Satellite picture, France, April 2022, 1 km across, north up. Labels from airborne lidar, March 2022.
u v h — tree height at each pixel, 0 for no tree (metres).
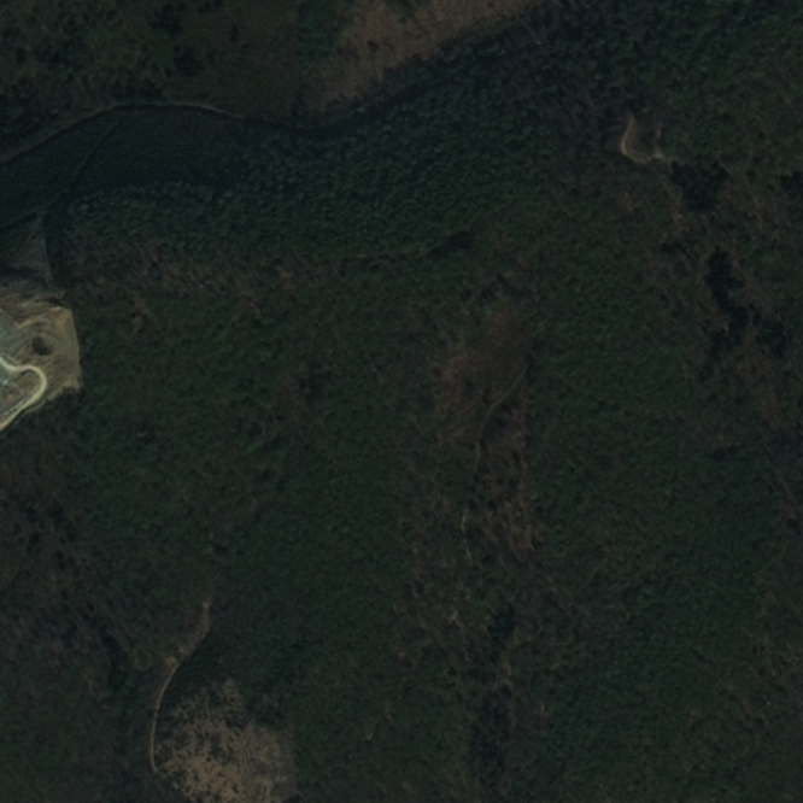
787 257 29
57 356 0
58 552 8
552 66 23
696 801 22
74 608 7
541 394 30
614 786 19
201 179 9
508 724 23
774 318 11
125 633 26
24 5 30
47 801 20
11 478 13
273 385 22
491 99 31
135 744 21
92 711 25
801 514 25
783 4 19
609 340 11
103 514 22
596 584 19
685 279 25
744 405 30
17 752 21
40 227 0
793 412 15
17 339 0
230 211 27
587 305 17
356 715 15
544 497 30
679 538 14
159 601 21
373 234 17
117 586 23
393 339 21
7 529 11
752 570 18
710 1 28
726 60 20
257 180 30
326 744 18
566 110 33
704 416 25
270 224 21
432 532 20
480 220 17
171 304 14
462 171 21
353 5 20
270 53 11
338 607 17
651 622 15
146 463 19
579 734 14
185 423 17
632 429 19
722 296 15
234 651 19
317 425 21
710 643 16
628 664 15
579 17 32
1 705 25
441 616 21
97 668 23
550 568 28
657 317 20
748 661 20
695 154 22
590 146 32
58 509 15
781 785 28
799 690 31
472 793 27
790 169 23
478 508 30
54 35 24
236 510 29
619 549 20
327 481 16
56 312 0
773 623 22
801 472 27
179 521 20
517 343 5
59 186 14
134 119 11
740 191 29
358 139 31
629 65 23
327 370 17
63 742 25
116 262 17
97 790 11
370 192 20
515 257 32
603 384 15
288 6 9
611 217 26
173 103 7
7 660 24
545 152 27
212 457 19
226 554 27
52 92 26
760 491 18
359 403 16
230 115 9
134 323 20
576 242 21
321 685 18
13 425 0
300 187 27
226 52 11
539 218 23
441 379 34
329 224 15
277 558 19
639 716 17
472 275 22
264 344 26
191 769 0
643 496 18
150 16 12
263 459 29
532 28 23
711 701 20
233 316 19
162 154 10
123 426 13
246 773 0
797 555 23
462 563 22
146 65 23
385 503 19
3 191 12
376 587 18
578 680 17
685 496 17
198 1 10
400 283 19
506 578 30
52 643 28
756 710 24
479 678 30
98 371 22
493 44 21
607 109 37
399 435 19
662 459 18
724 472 21
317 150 9
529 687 26
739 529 19
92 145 14
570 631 23
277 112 10
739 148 25
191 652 30
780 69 22
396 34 0
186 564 23
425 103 34
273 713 15
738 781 23
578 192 22
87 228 25
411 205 22
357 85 0
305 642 15
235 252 19
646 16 27
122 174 12
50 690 32
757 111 25
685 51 21
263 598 18
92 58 29
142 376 14
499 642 26
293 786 0
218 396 21
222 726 0
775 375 13
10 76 24
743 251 28
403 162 23
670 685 18
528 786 23
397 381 20
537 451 25
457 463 6
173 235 29
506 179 17
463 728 22
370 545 18
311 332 24
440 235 14
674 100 20
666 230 25
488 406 26
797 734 26
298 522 18
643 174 20
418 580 22
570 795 19
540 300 34
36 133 18
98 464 20
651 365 16
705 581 17
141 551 20
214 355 18
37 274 0
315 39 26
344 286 23
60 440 12
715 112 20
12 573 9
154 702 21
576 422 18
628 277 17
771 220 30
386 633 19
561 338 22
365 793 25
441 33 0
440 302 24
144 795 19
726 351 7
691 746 19
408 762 24
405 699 19
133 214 25
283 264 18
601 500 18
